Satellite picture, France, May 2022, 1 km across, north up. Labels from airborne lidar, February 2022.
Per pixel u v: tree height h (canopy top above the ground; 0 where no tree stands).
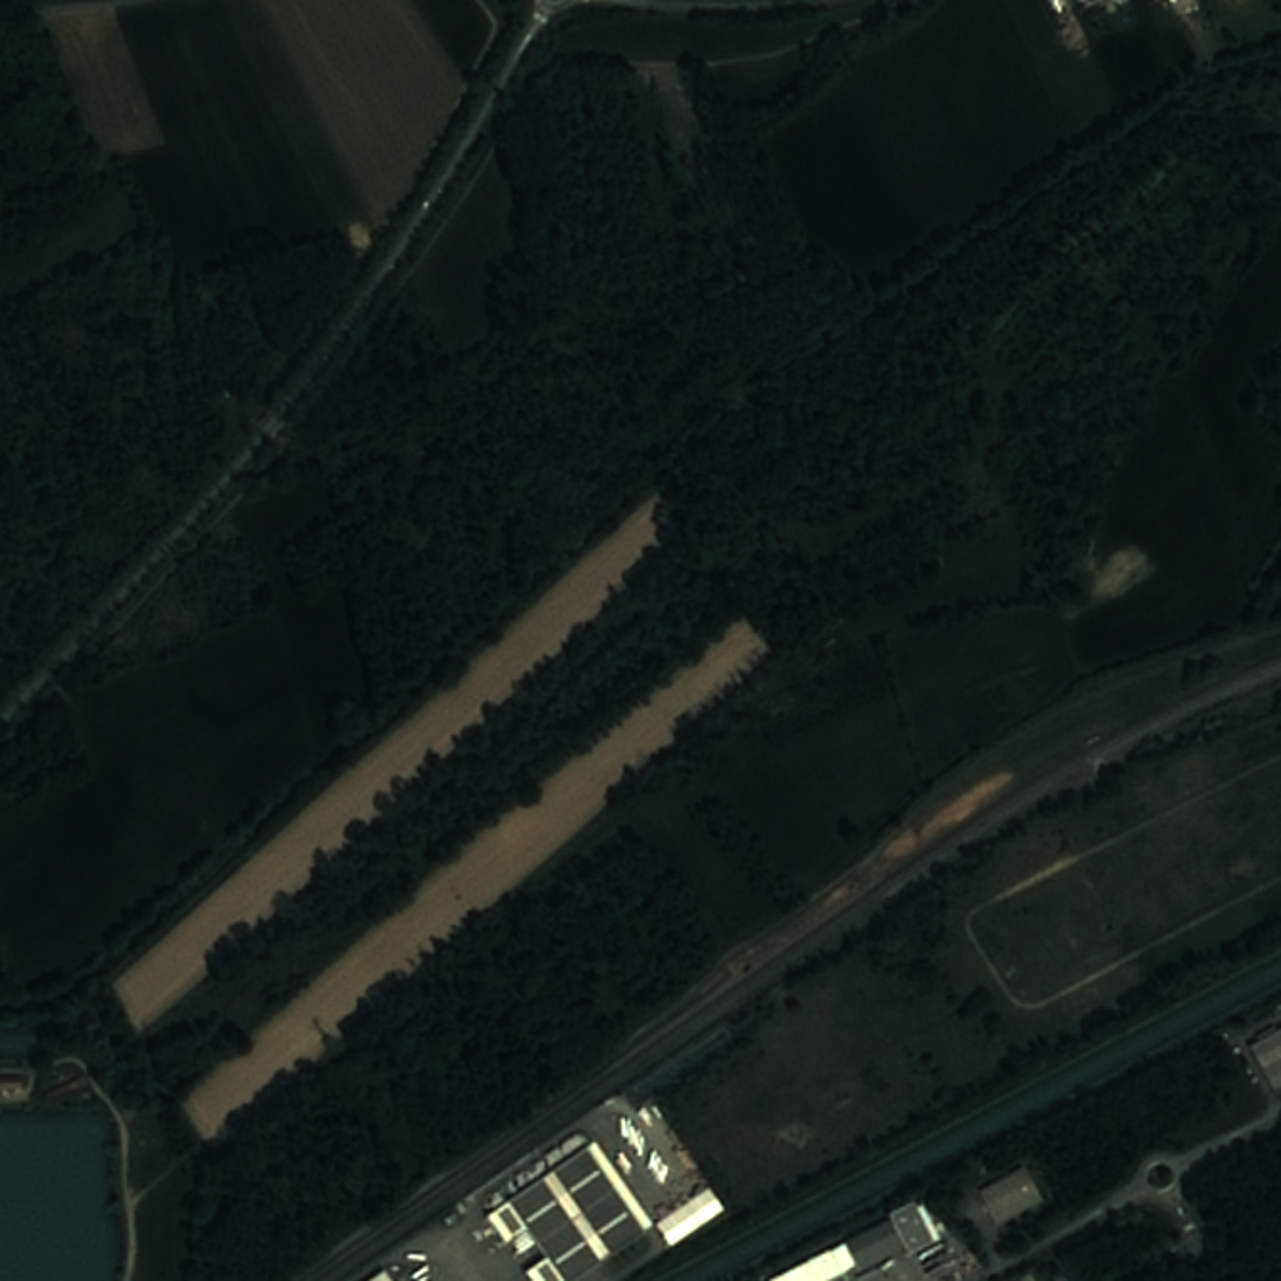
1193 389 0
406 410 12
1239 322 0
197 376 16
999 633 0
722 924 0
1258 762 0
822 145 0
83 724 0
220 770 0
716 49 0
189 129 0
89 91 0
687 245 17
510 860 0
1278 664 0
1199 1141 0
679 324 28
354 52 0
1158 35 0
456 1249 0
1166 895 0
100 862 0
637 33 0
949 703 0
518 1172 0
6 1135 0
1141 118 14
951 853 0
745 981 0
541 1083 18
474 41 0
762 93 0
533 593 16
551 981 17
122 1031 12
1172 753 9
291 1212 0
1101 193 12
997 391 0
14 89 0
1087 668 0
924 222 0
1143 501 0
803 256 16
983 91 0
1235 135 0
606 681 12
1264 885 0
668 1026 0
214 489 0
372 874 19
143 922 14
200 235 0
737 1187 0
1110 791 15
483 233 0
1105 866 0
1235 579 0
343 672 0
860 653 0
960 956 0
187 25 0
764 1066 0
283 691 0
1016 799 0
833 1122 0
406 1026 24
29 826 0
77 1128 0
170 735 0
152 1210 0
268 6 0
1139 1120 15
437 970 23
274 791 0
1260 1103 0
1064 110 0
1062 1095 0
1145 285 11
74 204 17
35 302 16
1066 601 21
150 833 0
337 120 0
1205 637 13
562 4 0
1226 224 18
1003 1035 6
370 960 0
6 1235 0
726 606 31
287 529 0
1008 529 0
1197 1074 15
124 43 0
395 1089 13
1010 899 0
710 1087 0
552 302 24
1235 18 0
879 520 0
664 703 0
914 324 19
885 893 0
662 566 21
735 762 0
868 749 0
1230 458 0
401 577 25
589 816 0
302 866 0
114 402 0
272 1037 0
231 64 0
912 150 0
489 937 6
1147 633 0
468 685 0
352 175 0
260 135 0
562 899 21
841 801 0
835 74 14
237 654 0
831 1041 0
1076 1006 0
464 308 0
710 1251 0
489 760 20
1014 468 0
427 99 0
